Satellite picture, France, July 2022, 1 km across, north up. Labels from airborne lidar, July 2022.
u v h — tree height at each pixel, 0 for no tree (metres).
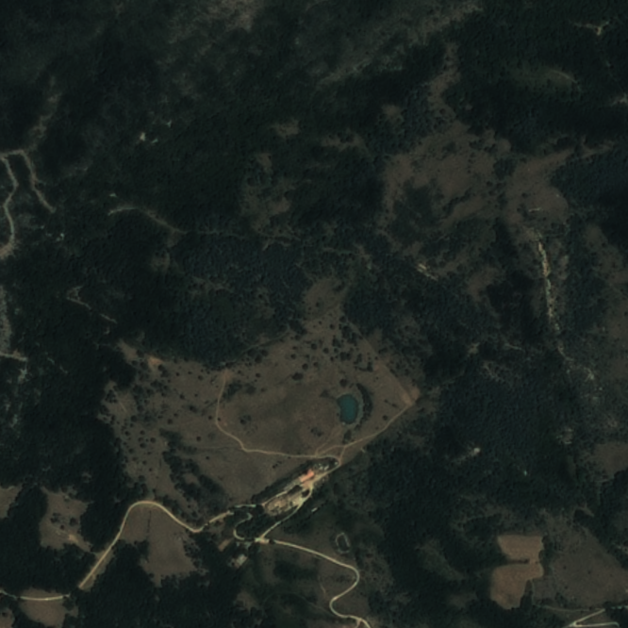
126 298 13
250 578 0
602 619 0
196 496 6
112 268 15
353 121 12
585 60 22
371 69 7
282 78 6
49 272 10
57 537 0
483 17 15
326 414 0
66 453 9
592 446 8
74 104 10
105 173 8
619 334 0
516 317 8
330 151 6
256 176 7
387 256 7
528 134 12
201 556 9
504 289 9
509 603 0
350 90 10
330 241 7
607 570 0
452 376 7
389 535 10
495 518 11
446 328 7
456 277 9
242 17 0
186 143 6
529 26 14
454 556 13
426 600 18
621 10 23
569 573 0
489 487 13
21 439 13
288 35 7
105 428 12
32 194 6
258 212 0
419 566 9
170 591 9
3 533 13
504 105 15
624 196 15
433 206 0
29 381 7
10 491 0
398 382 0
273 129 7
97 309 7
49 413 18
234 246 10
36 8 7
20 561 16
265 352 12
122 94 7
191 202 9
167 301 16
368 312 10
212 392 0
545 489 8
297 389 0
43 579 13
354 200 8
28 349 15
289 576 9
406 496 8
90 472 9
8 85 6
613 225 8
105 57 11
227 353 5
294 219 8
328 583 0
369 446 9
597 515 12
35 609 0
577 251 7
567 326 8
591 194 10
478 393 11
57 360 10
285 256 7
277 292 10
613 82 20
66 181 9
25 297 14
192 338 11
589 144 11
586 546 0
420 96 15
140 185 7
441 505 19
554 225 10
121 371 15
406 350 9
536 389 11
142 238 7
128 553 13
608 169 12
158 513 0
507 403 14
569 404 9
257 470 0
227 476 0
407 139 12
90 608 12
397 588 10
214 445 0
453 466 11
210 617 13
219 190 7
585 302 8
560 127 13
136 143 6
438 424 8
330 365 0
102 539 12
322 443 0
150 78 6
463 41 13
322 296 0
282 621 0
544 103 16
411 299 7
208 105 6
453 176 0
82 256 9
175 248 15
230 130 6
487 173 0
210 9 0
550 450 12
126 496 11
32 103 7
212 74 5
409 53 11
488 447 9
